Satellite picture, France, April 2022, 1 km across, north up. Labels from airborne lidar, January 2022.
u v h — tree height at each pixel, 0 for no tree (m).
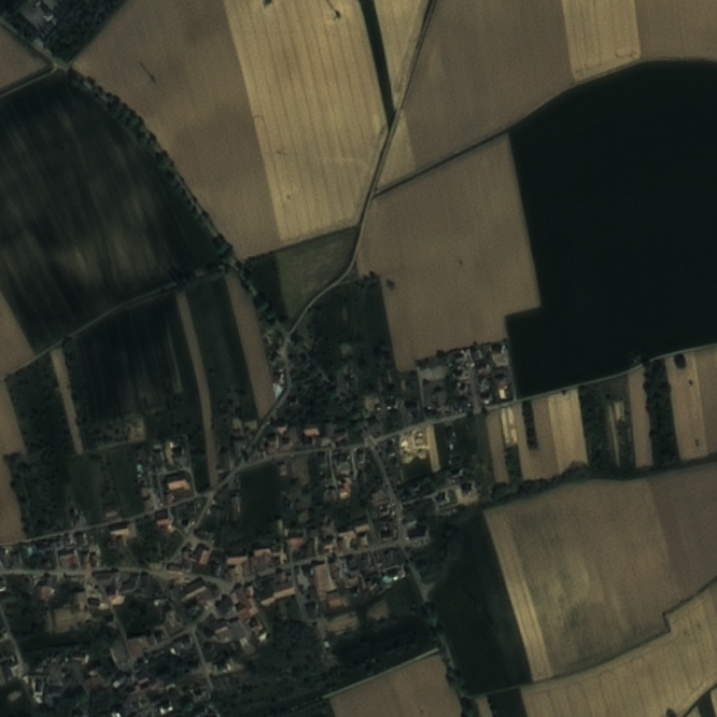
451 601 0
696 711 0
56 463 0
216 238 0
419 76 0
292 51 0
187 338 0
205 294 0
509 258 0
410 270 0
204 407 0
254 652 0
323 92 0
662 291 0
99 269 0
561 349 0
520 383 0
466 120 0
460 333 0
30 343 0
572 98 0
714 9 0
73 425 0
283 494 0
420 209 0
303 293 0
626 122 0
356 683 0
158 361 0
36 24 0
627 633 0
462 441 0
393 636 0
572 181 0
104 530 0
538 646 0
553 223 0
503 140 0
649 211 0
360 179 0
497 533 0
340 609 0
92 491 0
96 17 7
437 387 0
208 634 10
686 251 0
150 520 7
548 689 0
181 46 0
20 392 0
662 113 0
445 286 0
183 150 0
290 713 7
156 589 0
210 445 0
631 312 0
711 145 0
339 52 0
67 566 0
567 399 0
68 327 0
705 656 0
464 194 0
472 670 0
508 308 0
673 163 0
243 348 0
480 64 0
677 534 0
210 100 0
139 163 0
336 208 0
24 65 0
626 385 0
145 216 0
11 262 0
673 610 0
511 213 0
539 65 0
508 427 0
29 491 0
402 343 0
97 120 0
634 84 0
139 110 0
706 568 0
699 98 0
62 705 19
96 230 0
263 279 0
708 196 0
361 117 0
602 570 0
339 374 0
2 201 0
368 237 0
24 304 0
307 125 0
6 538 0
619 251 0
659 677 0
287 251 0
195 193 0
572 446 0
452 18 0
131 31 0
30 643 0
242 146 0
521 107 0
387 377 0
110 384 0
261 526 0
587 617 0
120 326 0
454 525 7
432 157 0
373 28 0
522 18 0
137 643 0
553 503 0
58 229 0
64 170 0
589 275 0
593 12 0
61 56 12
